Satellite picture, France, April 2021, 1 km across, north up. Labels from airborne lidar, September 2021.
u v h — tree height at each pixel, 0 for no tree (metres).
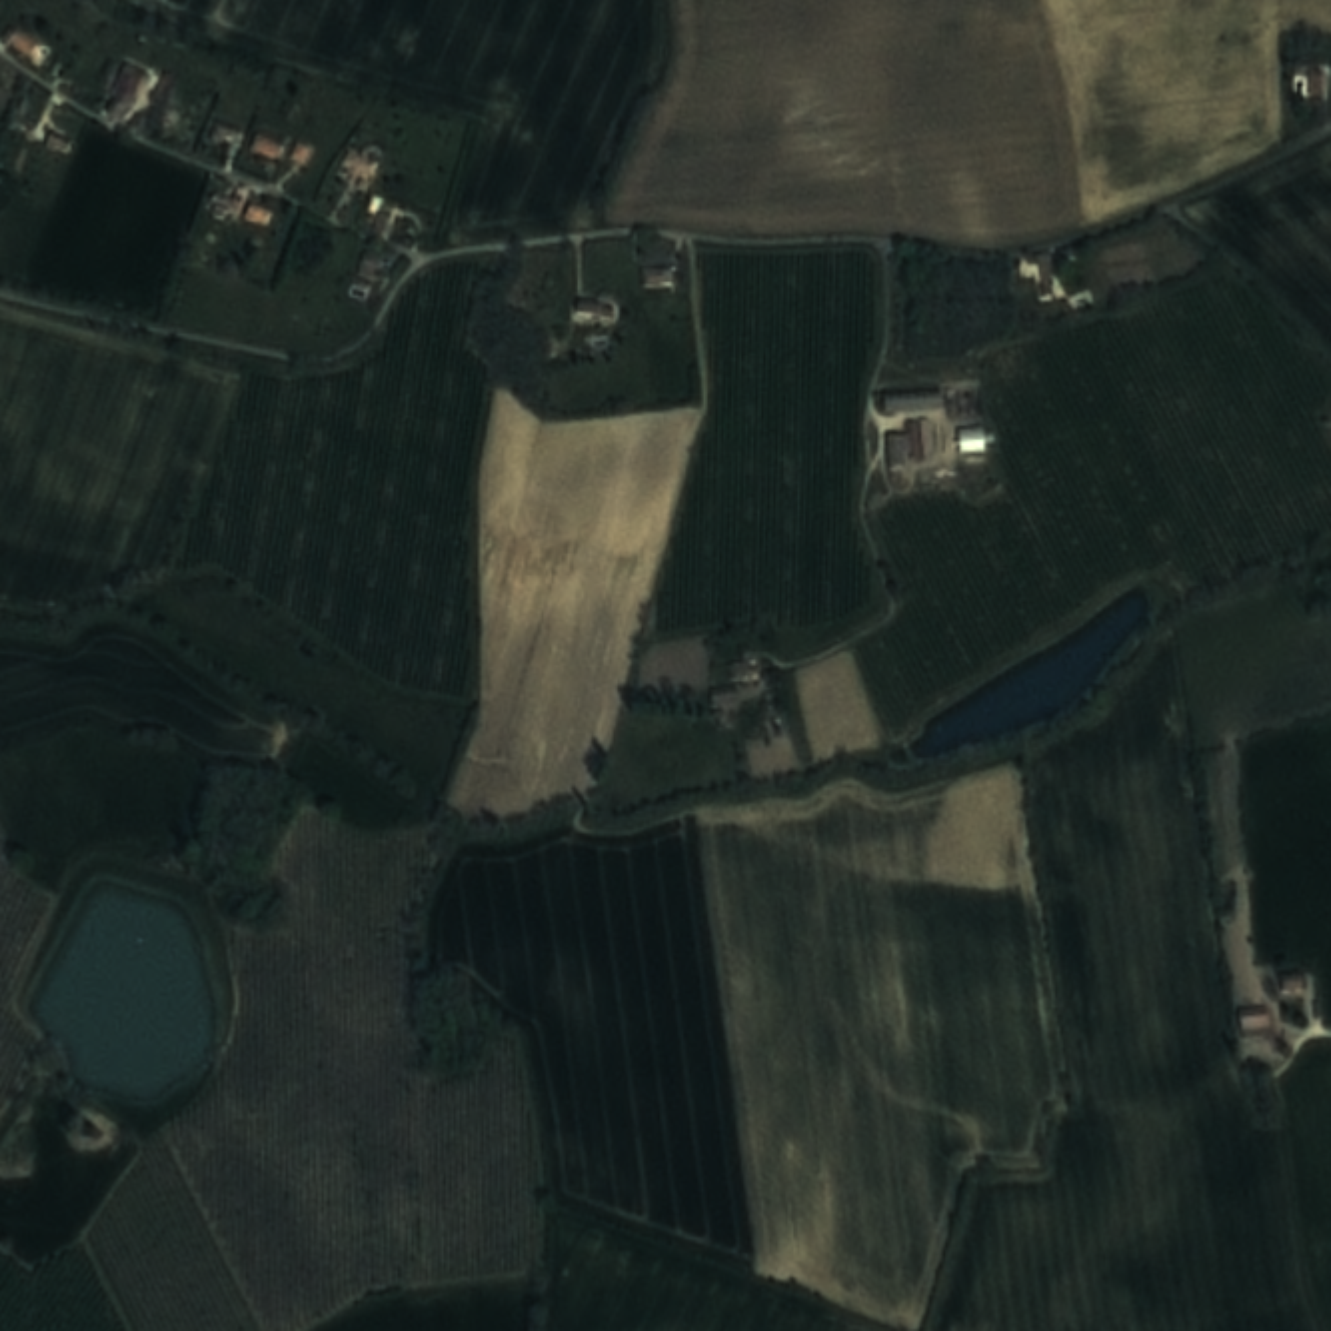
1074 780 0
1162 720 0
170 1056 0
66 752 0
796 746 7
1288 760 0
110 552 0
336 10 0
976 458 0
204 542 6
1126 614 0
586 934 0
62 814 0
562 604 0
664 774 0
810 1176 0
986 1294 0
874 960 0
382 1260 6
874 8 0
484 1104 7
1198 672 0
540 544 0
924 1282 0
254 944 6
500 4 0
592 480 0
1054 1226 0
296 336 0
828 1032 0
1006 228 0
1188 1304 0
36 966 0
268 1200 6
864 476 0
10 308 0
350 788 0
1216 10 0
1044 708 0
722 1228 0
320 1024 6
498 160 0
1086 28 0
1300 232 0
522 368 20
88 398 0
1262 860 0
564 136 0
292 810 16
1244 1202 0
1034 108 0
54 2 0
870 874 0
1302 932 0
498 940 0
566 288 0
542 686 0
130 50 0
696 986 0
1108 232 6
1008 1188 0
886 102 0
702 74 0
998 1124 0
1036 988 0
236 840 17
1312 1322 0
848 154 0
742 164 0
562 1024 0
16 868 14
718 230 0
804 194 0
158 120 8
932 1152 0
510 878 0
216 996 0
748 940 0
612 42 0
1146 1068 0
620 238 0
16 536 0
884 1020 0
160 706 0
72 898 0
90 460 0
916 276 13
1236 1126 0
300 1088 6
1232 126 0
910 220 0
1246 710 0
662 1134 0
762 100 0
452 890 0
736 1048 0
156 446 0
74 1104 15
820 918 0
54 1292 6
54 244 0
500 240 0
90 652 0
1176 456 6
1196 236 6
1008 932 0
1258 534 6
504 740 0
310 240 7
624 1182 0
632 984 0
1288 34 0
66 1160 0
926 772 11
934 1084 0
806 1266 0
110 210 0
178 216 0
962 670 5
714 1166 0
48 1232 0
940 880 0
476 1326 0
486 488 0
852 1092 0
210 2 0
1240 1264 0
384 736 0
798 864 0
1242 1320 0
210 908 0
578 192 0
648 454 0
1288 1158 0
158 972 0
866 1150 0
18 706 0
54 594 0
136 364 0
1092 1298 0
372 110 0
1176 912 0
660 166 0
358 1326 0
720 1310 0
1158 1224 0
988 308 16
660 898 0
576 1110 0
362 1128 6
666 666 0
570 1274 0
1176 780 0
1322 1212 0
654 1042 0
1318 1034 0
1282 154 0
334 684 0
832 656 0
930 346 12
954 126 0
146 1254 5
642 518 0
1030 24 0
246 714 0
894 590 7
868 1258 0
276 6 0
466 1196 6
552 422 12
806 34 0
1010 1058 0
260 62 0
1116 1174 0
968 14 0
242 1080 6
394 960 6
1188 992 0
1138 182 0
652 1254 0
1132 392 6
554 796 0
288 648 0
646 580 0
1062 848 0
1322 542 15
